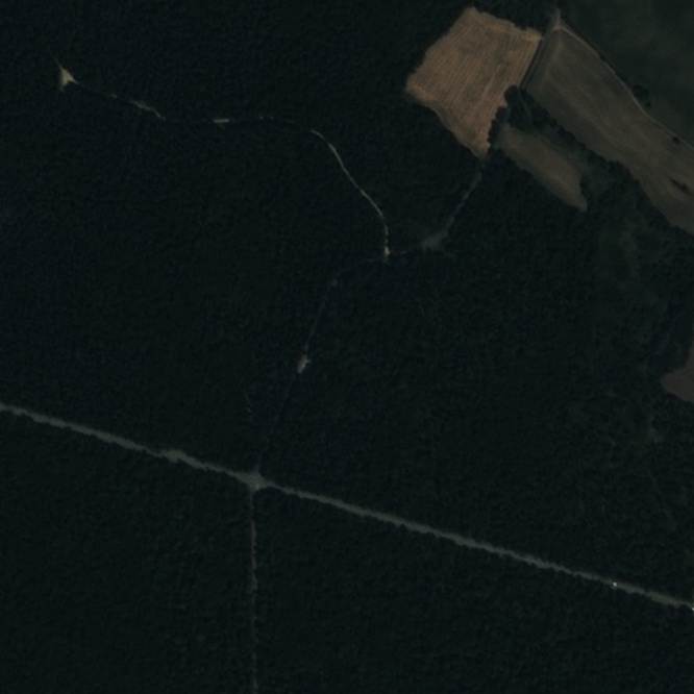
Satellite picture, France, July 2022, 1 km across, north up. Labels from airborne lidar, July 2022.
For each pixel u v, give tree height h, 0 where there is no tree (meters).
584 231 19
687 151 0
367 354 17
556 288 18
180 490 13
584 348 17
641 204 12
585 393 11
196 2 18
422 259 16
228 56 17
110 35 21
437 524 16
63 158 20
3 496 15
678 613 9
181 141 14
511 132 0
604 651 18
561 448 13
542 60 0
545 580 19
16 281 14
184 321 21
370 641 20
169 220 15
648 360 10
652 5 0
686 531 16
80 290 14
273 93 18
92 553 16
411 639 17
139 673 19
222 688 18
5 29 18
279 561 16
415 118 19
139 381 17
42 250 18
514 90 11
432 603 17
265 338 19
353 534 18
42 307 13
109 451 22
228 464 21
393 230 15
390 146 14
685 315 20
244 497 21
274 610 20
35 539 13
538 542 14
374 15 15
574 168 0
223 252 20
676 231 11
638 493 15
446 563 16
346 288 22
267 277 17
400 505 17
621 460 15
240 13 17
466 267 15
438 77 0
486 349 16
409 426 11
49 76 19
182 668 16
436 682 20
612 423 9
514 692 18
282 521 21
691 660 17
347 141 15
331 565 19
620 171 17
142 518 18
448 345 8
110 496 13
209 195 15
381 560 16
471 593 18
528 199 19
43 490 13
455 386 6
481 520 8
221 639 18
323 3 20
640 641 16
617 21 0
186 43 17
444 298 6
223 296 17
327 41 15
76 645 17
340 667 10
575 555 18
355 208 19
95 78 18
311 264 16
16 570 16
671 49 0
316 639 20
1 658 14
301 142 16
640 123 0
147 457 18
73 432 18
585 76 0
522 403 15
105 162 21
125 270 22
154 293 18
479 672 19
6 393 12
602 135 0
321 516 22
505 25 0
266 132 14
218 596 21
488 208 6
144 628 14
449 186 16
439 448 19
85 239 17
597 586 14
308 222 10
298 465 16
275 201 16
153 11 21
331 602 19
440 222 15
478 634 21
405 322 10
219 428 20
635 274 0
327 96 19
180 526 20
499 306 16
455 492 18
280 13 18
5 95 17
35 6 23
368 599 16
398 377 19
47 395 25
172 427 20
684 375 0
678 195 0
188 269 17
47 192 15
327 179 17
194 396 20
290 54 16
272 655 22
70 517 15
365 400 21
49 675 16
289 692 17
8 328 22
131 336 20
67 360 21
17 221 14
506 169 20
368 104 19
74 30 13
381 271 25
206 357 19
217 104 19
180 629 13
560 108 0
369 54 14
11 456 15
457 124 0
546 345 15
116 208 17
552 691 17
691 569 11
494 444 15
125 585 12
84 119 17
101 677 14
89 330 19
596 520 16
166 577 9
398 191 15
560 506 14
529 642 17
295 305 16
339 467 21
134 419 15
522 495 13
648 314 6
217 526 18
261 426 20
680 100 0
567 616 21
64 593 18
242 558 17
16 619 21
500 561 18
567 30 0
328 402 20
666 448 5
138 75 20
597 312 9
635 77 0
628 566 14
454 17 7
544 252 17
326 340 15
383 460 17
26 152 19
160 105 20
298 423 15
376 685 17
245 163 18
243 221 18
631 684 20
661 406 16
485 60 0
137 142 21
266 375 21
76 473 17
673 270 7
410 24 9
